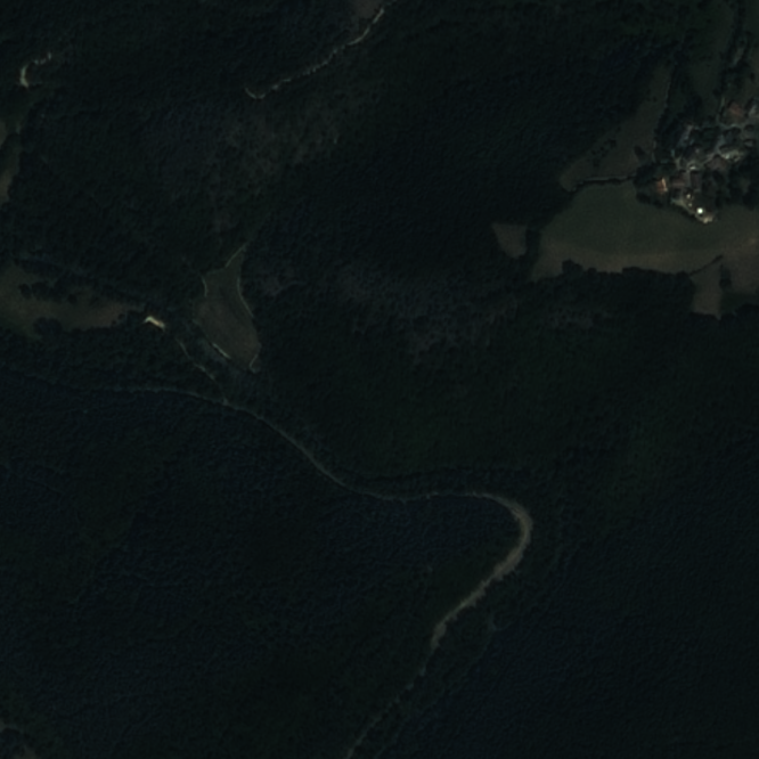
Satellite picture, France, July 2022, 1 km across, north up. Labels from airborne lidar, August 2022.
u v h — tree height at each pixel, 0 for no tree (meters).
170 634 17
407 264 13
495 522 19
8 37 17
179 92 15
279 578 10
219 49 23
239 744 13
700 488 20
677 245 0
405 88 20
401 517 19
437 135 19
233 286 0
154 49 26
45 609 20
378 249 18
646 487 14
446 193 23
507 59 19
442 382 15
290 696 23
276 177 6
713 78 0
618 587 18
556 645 15
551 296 12
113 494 23
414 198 24
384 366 15
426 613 9
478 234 24
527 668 22
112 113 15
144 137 20
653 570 18
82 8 19
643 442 9
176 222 17
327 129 6
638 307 19
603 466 27
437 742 25
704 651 19
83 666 21
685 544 20
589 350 16
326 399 22
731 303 0
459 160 19
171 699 12
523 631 21
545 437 23
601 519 19
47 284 9
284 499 8
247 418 14
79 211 11
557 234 0
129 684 19
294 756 11
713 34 0
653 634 20
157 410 15
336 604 21
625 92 26
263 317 20
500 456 25
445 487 20
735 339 18
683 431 14
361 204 19
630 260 0
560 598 19
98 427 14
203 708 13
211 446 16
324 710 15
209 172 11
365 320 9
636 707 22
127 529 8
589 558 19
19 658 23
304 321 17
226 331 0
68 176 20
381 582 16
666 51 17
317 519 11
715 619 19
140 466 21
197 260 18
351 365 17
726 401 18
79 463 22
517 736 20
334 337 17
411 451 15
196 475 17
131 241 12
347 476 19
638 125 0
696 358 18
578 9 14
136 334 17
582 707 21
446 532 18
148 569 14
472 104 18
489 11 16
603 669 21
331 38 10
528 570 20
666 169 8
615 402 20
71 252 21
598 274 10
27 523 15
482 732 18
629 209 0
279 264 9
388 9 9
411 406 15
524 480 25
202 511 22
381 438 14
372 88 11
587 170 0
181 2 21
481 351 13
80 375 25
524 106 18
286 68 15
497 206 21
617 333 12
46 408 28
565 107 21
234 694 10
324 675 10
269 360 15
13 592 19
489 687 25
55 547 15
